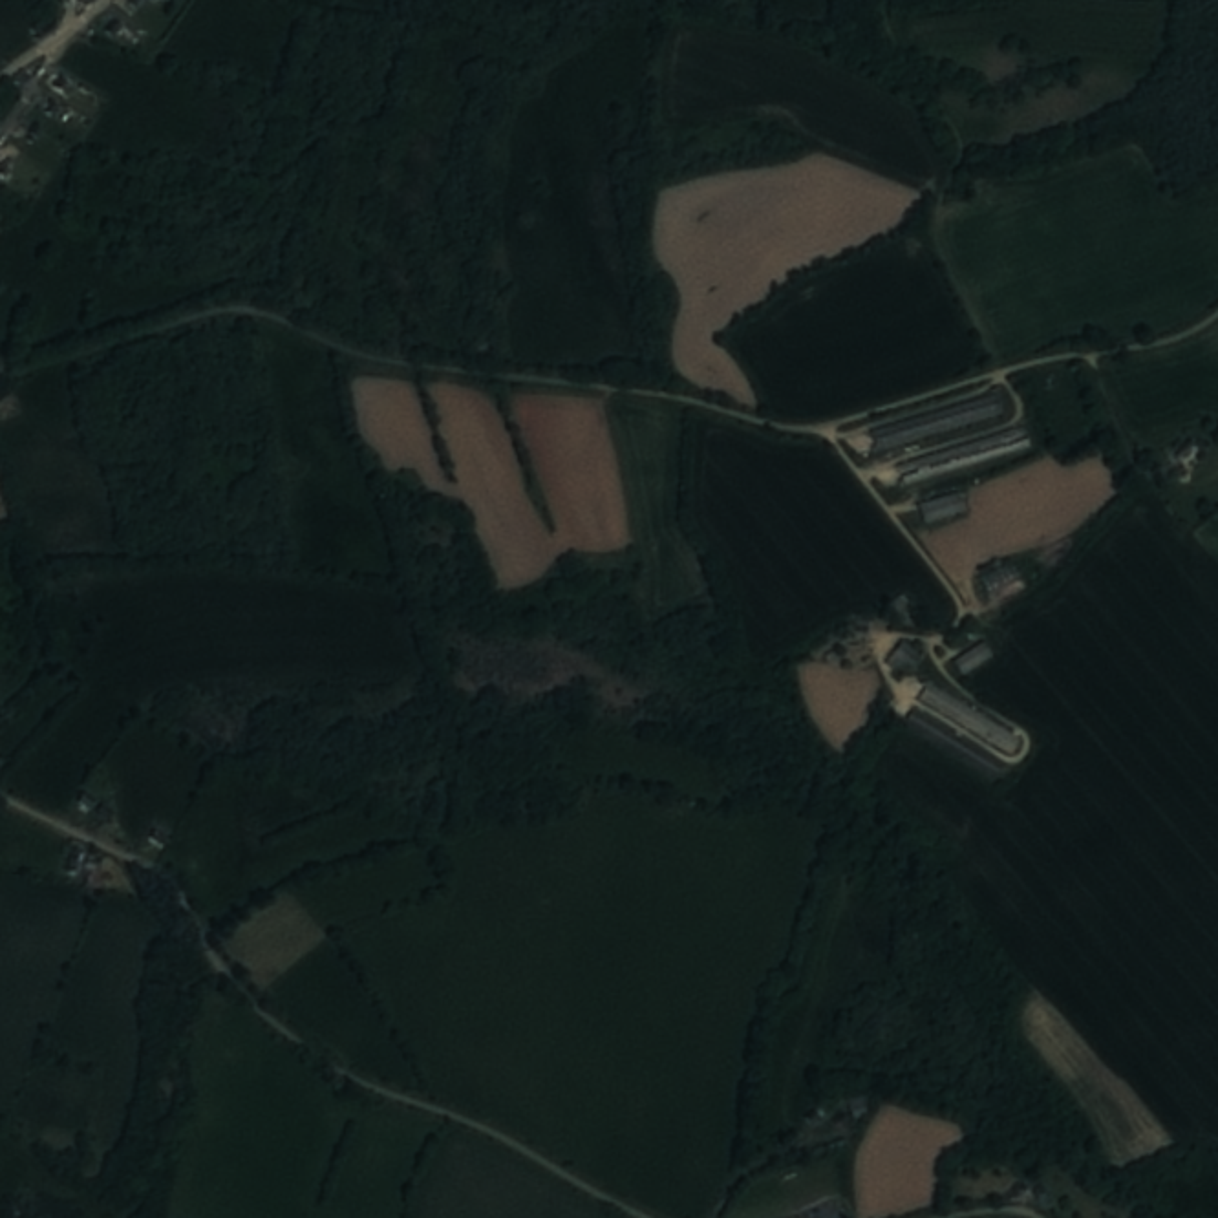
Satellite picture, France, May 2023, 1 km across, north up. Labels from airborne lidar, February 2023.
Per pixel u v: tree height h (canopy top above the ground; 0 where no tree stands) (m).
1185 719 0
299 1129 0
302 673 0
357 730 15
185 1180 0
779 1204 0
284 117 14
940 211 0
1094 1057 0
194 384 8
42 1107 0
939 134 18
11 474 9
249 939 0
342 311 0
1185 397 0
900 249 0
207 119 0
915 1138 0
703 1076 0
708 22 17
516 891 0
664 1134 0
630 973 0
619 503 0
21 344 14
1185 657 0
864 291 0
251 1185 0
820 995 0
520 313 0
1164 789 0
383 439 0
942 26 0
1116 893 0
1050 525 0
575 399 0
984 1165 13
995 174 16
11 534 12
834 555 0
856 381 0
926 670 0
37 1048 8
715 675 7
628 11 10
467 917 0
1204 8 16
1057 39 0
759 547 0
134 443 7
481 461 0
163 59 12
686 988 0
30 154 0
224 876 0
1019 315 0
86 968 0
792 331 0
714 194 0
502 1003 0
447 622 8
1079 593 0
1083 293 0
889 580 0
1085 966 0
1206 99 19
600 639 9
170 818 0
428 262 8
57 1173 10
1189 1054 0
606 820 0
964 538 0
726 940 0
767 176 0
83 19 0
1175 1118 0
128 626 0
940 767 0
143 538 12
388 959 0
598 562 0
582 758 0
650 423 0
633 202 16
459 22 7
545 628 16
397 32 15
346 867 8
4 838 0
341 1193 0
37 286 0
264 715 12
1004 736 0
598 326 0
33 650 8
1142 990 0
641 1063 0
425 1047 0
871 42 16
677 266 0
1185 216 0
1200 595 0
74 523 0
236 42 0
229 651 0
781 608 0
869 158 0
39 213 0
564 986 0
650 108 6
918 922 10
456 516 15
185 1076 6
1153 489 6
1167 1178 6
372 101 8
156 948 15
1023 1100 10
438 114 0
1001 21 0
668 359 7
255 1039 0
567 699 16
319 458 0
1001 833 0
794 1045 0
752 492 0
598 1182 0
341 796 18
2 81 10
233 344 11
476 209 14
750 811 7
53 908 0
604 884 0
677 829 0
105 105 0
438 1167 0
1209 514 10
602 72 0
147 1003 15
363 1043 0
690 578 0
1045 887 0
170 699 8
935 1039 8
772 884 0
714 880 0
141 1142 14
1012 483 0
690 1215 0
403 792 9
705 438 0
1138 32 0
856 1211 0
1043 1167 11
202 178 15
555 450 0
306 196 10
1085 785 0
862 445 0
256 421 12
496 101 14
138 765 0
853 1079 12
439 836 12
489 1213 0
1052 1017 0
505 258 0
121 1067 0
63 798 0
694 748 12
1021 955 0
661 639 6
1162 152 14
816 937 8
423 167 0
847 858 13
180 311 9
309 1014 0
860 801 10
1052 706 0
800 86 0
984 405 0
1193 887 0
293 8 11
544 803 13
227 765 15
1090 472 0
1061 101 0
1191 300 0
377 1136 0
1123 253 0
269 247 8
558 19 8
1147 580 0
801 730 18
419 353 12
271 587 0
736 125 0
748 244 0
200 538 10
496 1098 0
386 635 0
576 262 0
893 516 0
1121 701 0
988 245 0
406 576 11
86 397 13
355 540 0
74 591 0
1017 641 0
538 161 0
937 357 0
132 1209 11
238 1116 0
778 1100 0
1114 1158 0
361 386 0
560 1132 0
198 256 9
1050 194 0
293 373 0
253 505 8
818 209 0
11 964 0
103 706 0
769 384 0
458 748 19
